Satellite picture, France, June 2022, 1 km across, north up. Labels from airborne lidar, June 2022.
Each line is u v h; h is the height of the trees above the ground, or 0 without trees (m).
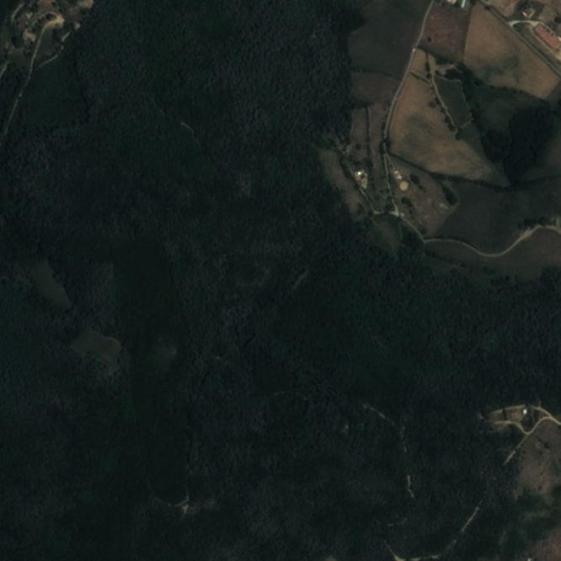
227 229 15
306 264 11
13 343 17
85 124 21
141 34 9
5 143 7
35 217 21
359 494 12
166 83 10
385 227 0
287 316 8
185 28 8
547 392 10
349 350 6
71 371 17
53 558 12
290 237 14
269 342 27
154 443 11
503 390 15
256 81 20
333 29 15
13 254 21
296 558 20
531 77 0
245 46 21
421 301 21
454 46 0
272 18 16
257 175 8
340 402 12
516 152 14
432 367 23
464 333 22
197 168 17
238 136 18
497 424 0
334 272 11
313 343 11
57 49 7
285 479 15
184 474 12
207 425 19
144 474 15
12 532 13
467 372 15
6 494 17
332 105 14
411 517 12
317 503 13
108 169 8
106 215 12
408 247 6
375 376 8
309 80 15
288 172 18
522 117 9
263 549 13
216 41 9
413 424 9
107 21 20
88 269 16
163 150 19
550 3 0
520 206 0
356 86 0
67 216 15
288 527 12
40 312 10
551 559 0
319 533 11
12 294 22
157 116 21
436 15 0
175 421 15
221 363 23
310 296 11
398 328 14
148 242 11
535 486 0
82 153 13
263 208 18
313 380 7
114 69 20
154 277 12
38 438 15
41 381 14
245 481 10
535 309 14
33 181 13
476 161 0
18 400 13
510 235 0
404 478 12
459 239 8
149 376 10
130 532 16
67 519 11
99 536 15
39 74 6
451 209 0
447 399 18
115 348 0
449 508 13
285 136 20
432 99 0
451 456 15
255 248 9
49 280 0
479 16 0
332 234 8
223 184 17
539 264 0
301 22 12
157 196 18
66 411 7
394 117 0
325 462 13
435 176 7
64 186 8
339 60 11
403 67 0
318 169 17
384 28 0
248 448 12
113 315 10
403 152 0
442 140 0
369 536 16
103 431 12
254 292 10
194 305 16
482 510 10
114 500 17
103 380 14
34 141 20
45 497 14
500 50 0
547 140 13
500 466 8
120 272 7
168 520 14
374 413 9
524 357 10
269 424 9
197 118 20
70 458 11
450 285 22
